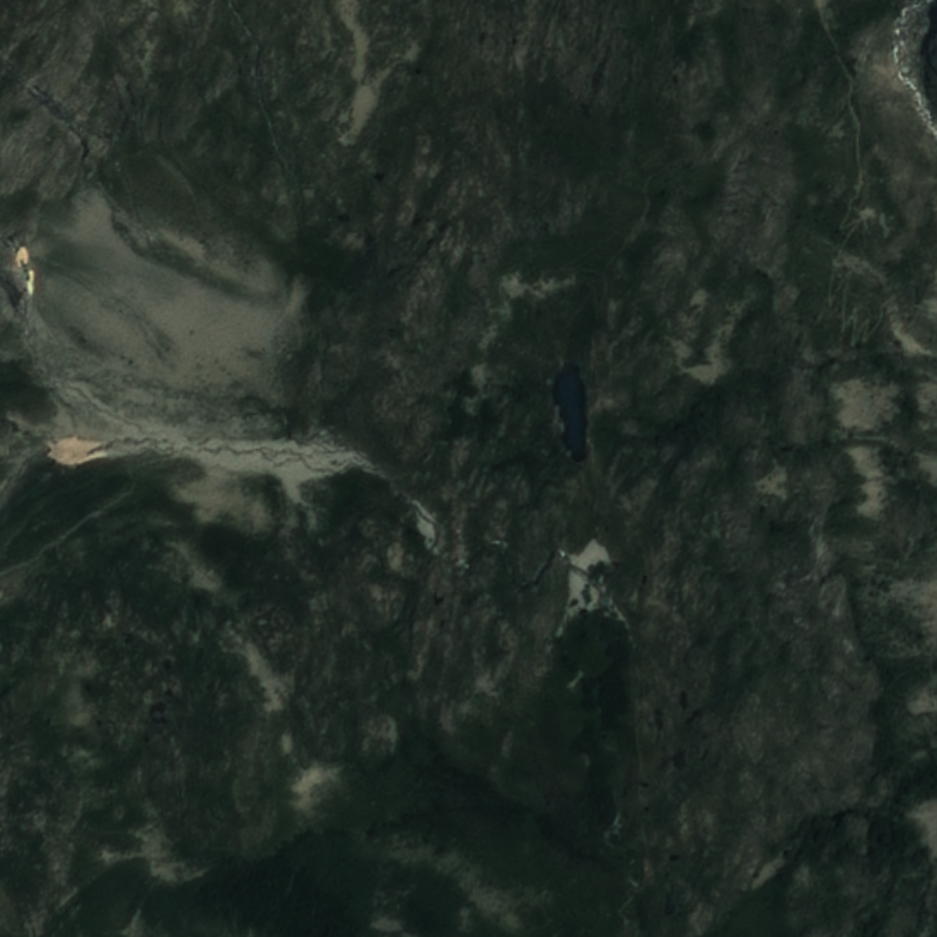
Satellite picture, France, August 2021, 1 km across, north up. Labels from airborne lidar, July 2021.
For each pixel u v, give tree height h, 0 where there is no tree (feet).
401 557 0
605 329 0
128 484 0
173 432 0
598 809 0
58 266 0
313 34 0
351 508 0
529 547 0
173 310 0
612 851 0
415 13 0
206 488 0
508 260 0
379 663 0
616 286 0
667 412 0
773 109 0
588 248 0
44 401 0
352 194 0
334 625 0
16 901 0
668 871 0
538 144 0
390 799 0
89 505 0
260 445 0
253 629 0
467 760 0
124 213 0
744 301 0
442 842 0
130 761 0
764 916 0
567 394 0
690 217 0
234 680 0
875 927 40
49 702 0
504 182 0
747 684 0
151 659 0
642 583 0
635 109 0
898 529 0
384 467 0
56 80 0
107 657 0
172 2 0
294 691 0
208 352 0
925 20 0
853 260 0
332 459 0
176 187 0
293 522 0
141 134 0
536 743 0
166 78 0
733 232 0
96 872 0
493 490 0
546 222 0
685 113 0
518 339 0
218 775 0
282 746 0
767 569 0
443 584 0
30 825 0
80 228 0
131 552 0
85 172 0
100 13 0
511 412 0
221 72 0
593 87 0
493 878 0
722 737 0
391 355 0
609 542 0
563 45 0
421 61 0
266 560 0
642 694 0
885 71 0
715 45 0
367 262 0
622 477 0
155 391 0
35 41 0
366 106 0
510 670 0
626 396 0
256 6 0
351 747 0
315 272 0
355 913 0
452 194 0
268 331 0
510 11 0
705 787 0
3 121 0
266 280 0
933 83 0
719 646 0
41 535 0
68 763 0
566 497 0
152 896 0
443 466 0
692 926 0
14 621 0
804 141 0
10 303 0
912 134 0
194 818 0
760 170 0
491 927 0
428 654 0
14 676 0
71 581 0
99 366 0
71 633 0
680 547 0
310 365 0
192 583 0
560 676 0
